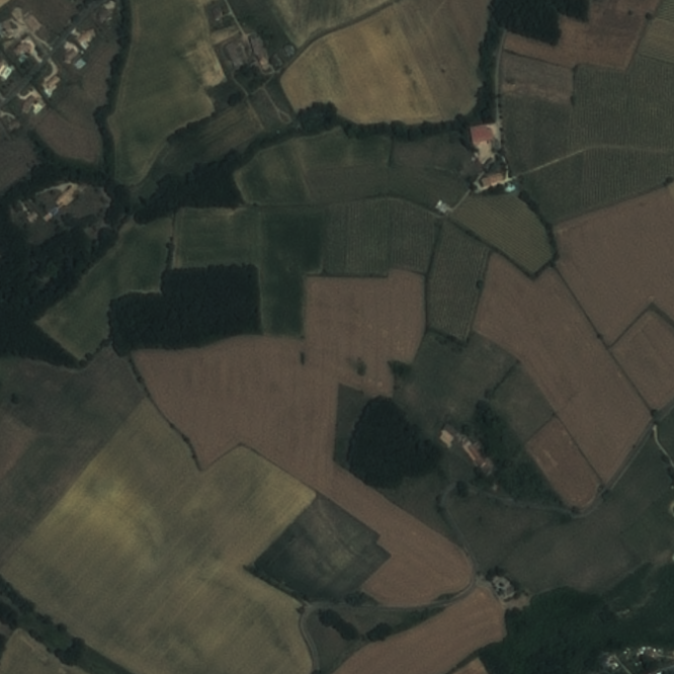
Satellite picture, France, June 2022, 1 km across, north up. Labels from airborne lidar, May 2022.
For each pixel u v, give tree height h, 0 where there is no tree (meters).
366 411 15
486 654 6
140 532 0
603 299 0
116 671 0
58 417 0
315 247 0
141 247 0
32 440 0
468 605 0
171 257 7
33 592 0
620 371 0
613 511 0
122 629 0
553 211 0
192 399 0
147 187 0
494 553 0
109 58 0
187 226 0
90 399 0
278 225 0
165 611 0
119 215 22
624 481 0
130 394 0
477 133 0
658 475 0
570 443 0
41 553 0
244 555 0
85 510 0
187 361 0
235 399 0
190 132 13
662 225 0
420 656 0
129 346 14
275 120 0
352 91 0
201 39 0
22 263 27
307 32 0
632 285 0
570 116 0
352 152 0
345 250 0
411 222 0
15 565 0
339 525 0
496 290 0
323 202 0
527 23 15
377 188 0
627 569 0
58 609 0
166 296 16
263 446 0
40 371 0
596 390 0
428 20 0
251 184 0
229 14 0
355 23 0
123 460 0
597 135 0
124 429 0
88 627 0
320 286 0
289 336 0
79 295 0
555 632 8
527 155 0
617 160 0
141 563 0
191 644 0
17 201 10
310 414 0
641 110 0
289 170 0
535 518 0
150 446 0
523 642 6
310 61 0
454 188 0
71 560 0
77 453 0
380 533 0
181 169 0
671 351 0
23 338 17
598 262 0
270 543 0
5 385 0
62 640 0
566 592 12
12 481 0
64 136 0
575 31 0
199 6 0
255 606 0
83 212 0
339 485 0
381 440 17
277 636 0
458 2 0
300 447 0
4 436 0
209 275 18
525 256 0
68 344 0
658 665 7
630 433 0
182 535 0
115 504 0
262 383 0
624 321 0
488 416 15
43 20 0
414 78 0
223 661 0
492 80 7
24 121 0
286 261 0
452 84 0
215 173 21
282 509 0
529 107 0
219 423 0
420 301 0
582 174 0
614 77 0
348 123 6
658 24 0
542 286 0
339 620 17
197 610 0
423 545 0
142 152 0
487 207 0
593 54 0
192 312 20
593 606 10
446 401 0
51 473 0
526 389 0
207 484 0
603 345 0
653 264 0
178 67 0
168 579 0
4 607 18
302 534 0
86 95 0
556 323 0
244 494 0
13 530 0
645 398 0
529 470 8
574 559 0
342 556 0
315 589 0
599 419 0
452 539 0
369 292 0
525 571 0
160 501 0
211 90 0
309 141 0
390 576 0
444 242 0
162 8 0
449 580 0
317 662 0
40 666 0
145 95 0
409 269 0
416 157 0
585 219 0
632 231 0
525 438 0
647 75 0
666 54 0
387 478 21
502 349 0
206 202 15
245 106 0
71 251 24
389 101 0
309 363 0
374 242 0
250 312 22
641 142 0
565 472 0
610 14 0
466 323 0
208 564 0
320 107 19
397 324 0
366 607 0
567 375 0
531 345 0
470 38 0
